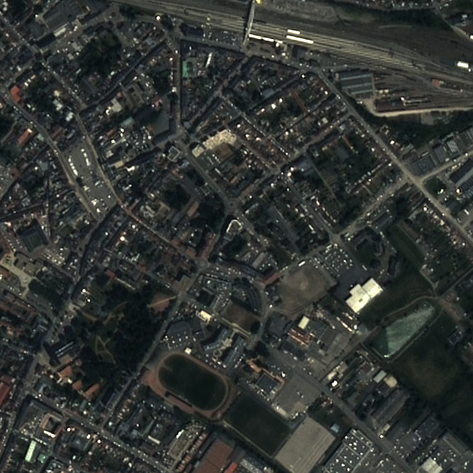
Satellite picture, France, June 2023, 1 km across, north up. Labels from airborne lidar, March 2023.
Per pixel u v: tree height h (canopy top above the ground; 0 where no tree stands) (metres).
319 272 0
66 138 0
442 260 0
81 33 0
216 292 0
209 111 0
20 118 0
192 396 0
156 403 0
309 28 0
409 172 0
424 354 0
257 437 0
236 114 0
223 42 0
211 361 0
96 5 0
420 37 0
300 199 0
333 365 0
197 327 0
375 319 0
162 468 0
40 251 0
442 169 0
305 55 0
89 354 16
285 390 0
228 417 0
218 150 0
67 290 0
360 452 0
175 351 0
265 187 0
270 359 0
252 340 0
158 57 0
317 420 0
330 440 0
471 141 0
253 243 0
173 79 0
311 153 9
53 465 0
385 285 11
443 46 0
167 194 12
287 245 0
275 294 0
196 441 7
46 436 0
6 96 0
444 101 0
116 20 0
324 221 0
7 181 0
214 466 0
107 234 0
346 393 6
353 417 0
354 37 0
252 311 10
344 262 0
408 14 12
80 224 0
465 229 0
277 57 0
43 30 0
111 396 0
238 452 0
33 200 0
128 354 20
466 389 0
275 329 0
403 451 0
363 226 0
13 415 0
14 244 0
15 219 0
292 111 15
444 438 0
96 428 0
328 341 0
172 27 11
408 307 0
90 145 0
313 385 0
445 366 0
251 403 0
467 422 0
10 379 0
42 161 0
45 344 0
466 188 0
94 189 0
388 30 0
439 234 0
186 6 0
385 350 0
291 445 0
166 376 0
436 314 0
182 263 0
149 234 0
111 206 0
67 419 0
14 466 0
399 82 0
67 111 0
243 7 0
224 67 0
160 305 0
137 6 0
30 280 0
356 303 0
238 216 0
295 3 0
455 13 0
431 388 0
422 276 0
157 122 0
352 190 0
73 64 0
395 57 0
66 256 0
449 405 0
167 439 0
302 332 0
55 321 0
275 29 0
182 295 0
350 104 0
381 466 0
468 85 0
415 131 7
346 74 0
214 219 15
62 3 0
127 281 0
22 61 0
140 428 12
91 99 0
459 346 8
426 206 0
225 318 0
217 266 0
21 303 0
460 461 0
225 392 0
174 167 0
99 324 17
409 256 0
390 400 0
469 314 10
